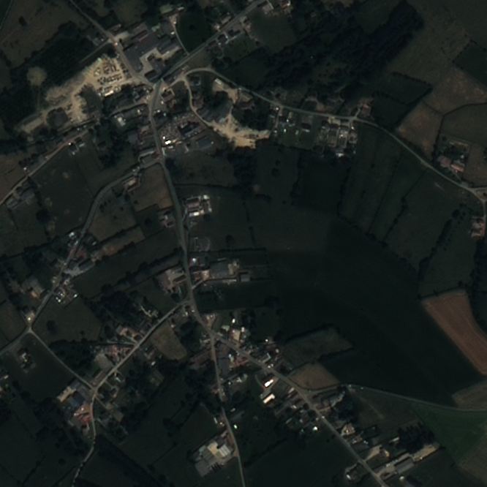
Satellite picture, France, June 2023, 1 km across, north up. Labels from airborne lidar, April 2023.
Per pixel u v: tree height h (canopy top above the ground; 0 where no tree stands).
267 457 0
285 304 0
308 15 16
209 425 0
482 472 0
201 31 0
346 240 0
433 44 0
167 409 0
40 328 0
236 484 0
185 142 0
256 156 8
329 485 0
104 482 0
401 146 0
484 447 0
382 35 28
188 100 8
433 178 0
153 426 0
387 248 12
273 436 0
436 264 0
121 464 29
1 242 0
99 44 0
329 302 0
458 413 0
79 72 0
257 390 0
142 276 0
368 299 0
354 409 18
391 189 0
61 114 0
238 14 0
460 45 0
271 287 0
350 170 7
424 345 0
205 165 0
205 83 0
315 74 0
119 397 0
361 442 0
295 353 0
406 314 0
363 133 0
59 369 0
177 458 0
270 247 0
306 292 0
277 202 0
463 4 0
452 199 0
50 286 0
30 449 0
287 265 0
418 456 0
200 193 0
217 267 0
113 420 6
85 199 0
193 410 9
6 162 0
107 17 6
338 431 9
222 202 0
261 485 0
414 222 0
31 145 0
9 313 0
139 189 0
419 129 0
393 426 0
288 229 0
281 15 0
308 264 0
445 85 0
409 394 0
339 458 0
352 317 0
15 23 0
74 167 0
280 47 0
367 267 0
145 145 0
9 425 0
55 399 0
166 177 0
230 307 0
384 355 0
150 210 0
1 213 0
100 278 0
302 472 0
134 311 13
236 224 0
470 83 0
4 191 0
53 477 0
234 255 0
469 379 0
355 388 0
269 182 0
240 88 0
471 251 0
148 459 0
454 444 0
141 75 0
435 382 0
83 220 0
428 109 0
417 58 0
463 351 0
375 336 0
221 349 0
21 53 0
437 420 0
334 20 28
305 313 0
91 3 0
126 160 0
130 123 0
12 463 0
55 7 0
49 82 0
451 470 0
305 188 0
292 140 0
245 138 0
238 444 0
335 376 0
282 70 24
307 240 0
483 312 0
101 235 0
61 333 0
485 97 0
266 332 0
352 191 0
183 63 0
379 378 0
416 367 0
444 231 8
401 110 0
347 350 7
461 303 0
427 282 0
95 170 0
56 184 0
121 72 0
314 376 0
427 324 0
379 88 7
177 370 10
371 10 0
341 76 22
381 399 0
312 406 0
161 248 0
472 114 0
